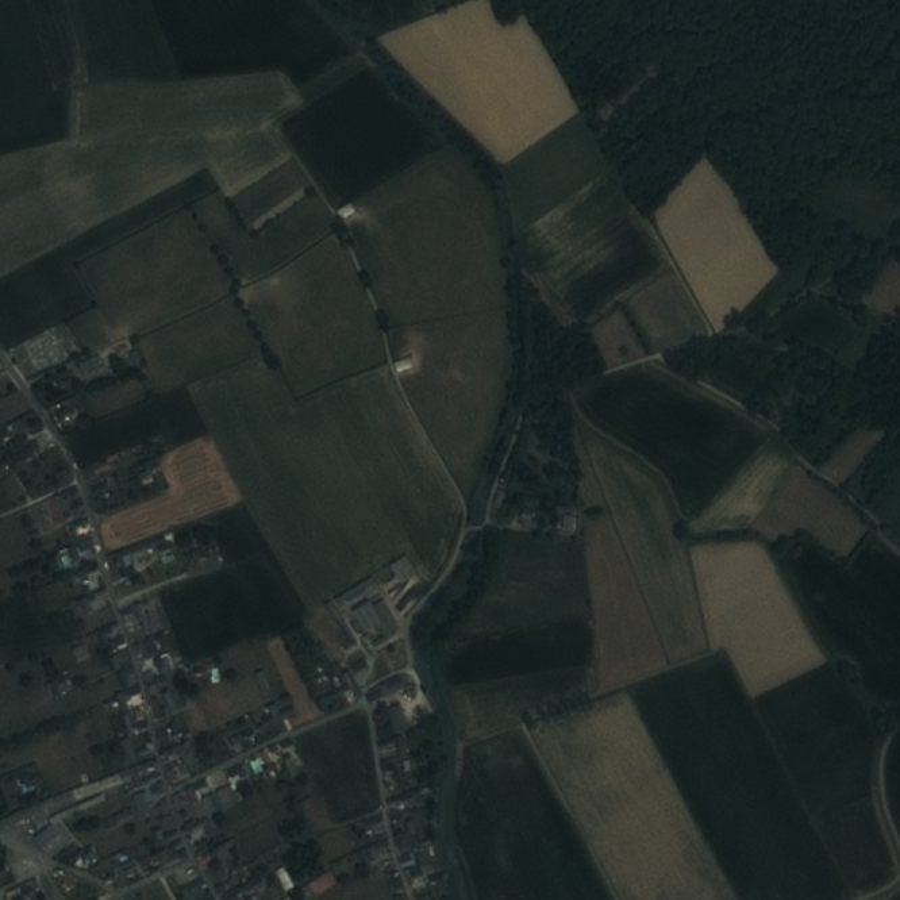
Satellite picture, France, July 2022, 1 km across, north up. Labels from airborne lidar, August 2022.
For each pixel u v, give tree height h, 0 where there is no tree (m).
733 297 0
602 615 0
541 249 0
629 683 0
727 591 0
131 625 0
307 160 0
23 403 0
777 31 16
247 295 0
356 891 0
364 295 0
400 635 0
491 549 13
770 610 0
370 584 0
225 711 0
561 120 0
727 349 16
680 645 0
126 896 0
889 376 19
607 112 0
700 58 27
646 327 0
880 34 28
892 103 31
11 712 0
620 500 0
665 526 0
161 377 0
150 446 15
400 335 0
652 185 24
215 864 12
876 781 0
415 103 10
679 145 28
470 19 0
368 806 0
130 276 0
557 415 23
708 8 27
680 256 0
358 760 0
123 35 0
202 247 0
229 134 0
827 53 22
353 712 0
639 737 0
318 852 16
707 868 0
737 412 0
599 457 0
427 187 0
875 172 34
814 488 0
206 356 0
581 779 0
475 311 0
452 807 0
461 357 0
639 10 25
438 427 0
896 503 0
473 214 0
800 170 30
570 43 23
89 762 0
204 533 18
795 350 14
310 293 0
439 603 22
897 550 0
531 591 0
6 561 0
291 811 8
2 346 0
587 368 20
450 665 0
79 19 0
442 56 0
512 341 14
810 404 10
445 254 0
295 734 0
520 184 0
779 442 0
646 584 0
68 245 0
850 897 0
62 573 10
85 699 0
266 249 0
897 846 0
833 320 0
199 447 0
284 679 0
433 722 15
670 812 0
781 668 0
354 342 0
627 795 0
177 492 0
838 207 0
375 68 0
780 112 29
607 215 0
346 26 0
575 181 0
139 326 0
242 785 16
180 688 19
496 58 0
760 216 24
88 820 10
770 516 0
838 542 0
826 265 16
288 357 0
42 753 0
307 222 0
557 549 0
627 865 0
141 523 0
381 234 0
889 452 13
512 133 0
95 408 0
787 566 0
